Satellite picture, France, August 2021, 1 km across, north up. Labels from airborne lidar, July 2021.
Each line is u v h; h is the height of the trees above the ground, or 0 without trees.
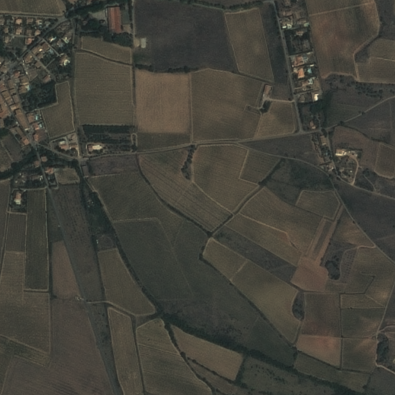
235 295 0
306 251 0
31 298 0
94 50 0
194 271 0
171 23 0
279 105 0
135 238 0
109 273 0
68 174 0
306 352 0
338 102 0
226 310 0
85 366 0
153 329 0
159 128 0
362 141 0
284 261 0
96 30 11
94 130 9
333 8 0
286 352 0
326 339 0
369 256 0
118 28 0
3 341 0
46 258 0
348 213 0
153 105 0
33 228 0
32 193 0
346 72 0
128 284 0
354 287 0
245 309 0
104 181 0
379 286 0
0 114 0
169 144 0
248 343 0
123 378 0
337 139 0
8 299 0
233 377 0
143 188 0
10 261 0
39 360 0
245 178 0
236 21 0
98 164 0
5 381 0
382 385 0
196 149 10
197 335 7
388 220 0
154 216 0
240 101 0
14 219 0
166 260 0
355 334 0
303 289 0
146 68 10
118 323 0
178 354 0
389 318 0
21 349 0
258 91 0
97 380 0
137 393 0
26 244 0
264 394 7
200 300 0
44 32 12
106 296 0
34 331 0
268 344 0
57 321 0
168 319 8
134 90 0
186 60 0
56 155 8
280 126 0
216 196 0
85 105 0
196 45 0
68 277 0
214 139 0
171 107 0
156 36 0
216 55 0
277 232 0
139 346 0
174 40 0
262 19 0
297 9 0
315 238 0
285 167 0
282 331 0
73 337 0
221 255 0
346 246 0
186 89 0
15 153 0
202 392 0
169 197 0
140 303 0
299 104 9
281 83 0
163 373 0
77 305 0
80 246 0
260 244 0
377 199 0
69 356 0
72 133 0
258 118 0
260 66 0
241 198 0
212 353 0
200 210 0
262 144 0
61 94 0
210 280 0
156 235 0
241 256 0
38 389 0
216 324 0
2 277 0
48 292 0
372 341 0
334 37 0
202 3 11
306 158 0
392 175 0
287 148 0
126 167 0
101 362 0
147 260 0
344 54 0
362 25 0
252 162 0
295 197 0
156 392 0
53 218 0
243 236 0
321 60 0
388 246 0
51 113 0
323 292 0
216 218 0
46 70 0
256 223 0
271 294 0
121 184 0
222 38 0
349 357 0
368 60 0
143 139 0
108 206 0
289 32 10
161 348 0
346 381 0
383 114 0
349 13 0
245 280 0
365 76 0
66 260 0
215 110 0
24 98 7
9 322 0
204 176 0
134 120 0
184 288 0
